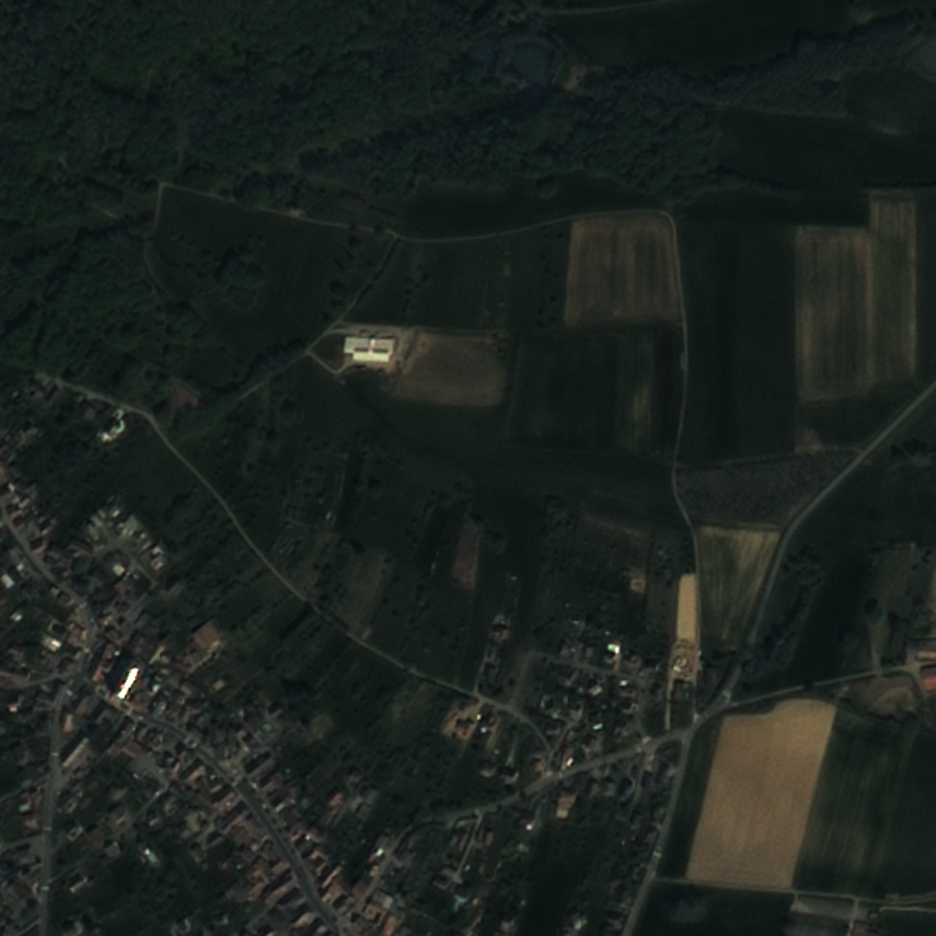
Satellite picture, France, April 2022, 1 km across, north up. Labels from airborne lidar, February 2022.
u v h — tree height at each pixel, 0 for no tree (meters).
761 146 0
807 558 13
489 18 6
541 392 0
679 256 0
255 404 7
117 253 20
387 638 0
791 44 0
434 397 0
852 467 0
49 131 24
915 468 0
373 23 27
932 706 0
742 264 0
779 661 19
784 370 0
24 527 0
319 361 0
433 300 0
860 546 0
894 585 0
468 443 0
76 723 0
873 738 0
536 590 0
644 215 0
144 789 6
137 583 11
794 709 0
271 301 0
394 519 0
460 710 0
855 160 0
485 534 7
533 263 0
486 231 0
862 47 24
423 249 0
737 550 0
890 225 0
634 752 0
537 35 17
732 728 0
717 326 0
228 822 0
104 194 17
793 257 0
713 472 13
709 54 0
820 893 0
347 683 0
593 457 0
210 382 0
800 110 18
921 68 0
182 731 0
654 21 0
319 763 8
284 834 7
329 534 0
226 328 0
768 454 0
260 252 0
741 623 0
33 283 11
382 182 14
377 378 0
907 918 0
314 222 0
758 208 0
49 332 21
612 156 25
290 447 0
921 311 0
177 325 17
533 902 0
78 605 0
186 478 0
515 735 10
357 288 0
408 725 0
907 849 0
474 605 0
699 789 0
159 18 26
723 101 19
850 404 0
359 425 0
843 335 0
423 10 27
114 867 0
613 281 0
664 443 0
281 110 26
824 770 0
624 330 0
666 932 0
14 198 20
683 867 0
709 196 0
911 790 0
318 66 26
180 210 0
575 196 0
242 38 26
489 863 0
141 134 26
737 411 0
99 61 29
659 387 0
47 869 0
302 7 30
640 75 21
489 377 0
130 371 19
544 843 0
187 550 7
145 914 6
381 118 15
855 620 0
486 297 0
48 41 24
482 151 23
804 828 0
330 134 21
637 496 0
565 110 22
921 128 0
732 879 0
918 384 0
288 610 0
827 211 0
